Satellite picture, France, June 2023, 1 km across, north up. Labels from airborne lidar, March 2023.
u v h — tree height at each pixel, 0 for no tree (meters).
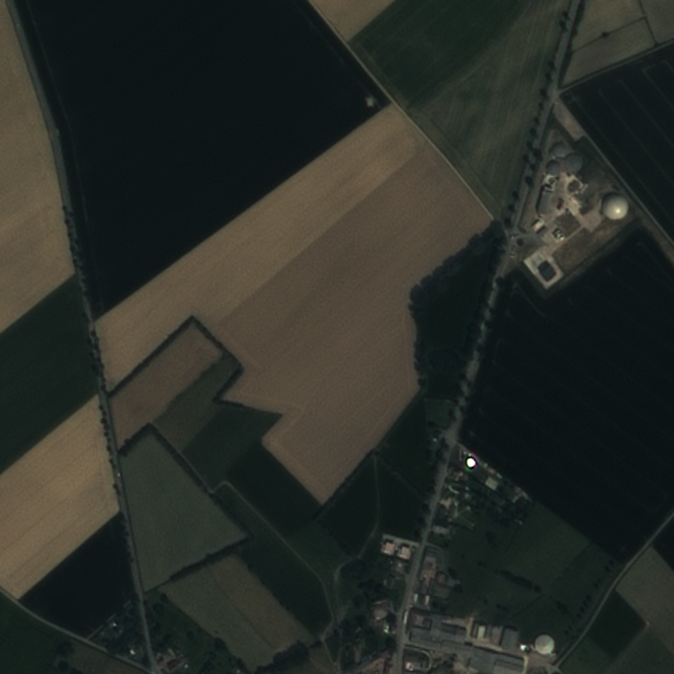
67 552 0
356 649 0
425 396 0
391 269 0
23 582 0
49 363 0
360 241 0
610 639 0
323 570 0
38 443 0
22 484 0
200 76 0
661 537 0
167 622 0
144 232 0
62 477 0
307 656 19
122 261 0
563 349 0
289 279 0
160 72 0
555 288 0
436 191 0
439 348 0
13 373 0
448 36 0
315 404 0
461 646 0
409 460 0
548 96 11
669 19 0
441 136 0
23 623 0
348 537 0
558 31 0
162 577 0
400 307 0
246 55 0
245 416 0
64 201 0
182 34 0
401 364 0
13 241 0
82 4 0
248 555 0
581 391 0
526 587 7
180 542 0
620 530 0
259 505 0
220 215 0
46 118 0
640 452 0
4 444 0
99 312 0
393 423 0
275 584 0
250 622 0
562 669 0
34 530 0
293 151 0
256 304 0
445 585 0
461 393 14
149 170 0
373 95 0
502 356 0
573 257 0
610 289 0
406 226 0
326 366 0
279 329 0
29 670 0
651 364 0
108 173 0
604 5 0
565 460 0
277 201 0
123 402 0
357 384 0
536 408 0
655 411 0
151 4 0
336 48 0
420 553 0
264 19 0
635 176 0
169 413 0
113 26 0
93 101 0
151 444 0
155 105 0
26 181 0
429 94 0
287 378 0
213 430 0
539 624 0
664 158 0
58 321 0
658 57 0
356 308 0
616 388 0
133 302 0
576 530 0
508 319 0
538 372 0
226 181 0
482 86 0
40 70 0
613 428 0
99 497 0
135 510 0
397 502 0
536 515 0
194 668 0
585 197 0
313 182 0
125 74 0
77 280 0
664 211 0
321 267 0
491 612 0
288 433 0
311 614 0
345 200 0
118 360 0
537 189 0
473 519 0
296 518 0
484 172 0
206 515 0
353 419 0
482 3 0
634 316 0
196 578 0
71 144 0
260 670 9
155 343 0
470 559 0
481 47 0
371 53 0
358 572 16
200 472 0
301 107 0
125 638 17
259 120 0
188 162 0
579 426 0
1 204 0
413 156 0
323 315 0
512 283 0
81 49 0
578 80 0
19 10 0
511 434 0
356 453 0
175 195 0
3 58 0
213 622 0
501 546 0
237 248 0
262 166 0
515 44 0
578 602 0
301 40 0
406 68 0
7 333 0
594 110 0
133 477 0
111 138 0
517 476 0
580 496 0
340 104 0
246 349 0
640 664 0
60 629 0
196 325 6
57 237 0
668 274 0
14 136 0
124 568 0
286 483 0
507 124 0
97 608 0
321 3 0
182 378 0
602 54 0
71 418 0
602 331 0
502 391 0
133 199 0
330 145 0
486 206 0
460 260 15
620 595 0
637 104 0
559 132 0
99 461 0
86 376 0
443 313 0
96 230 0
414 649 0
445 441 12
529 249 0
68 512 0
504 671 0
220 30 0
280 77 0
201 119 0
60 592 0
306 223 0
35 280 0
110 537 0
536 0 0
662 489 0
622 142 0
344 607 0
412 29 0
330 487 0
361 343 0
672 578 0
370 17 0
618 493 0
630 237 0
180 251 0
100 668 0
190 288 0
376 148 0
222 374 0
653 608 0
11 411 0
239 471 0
